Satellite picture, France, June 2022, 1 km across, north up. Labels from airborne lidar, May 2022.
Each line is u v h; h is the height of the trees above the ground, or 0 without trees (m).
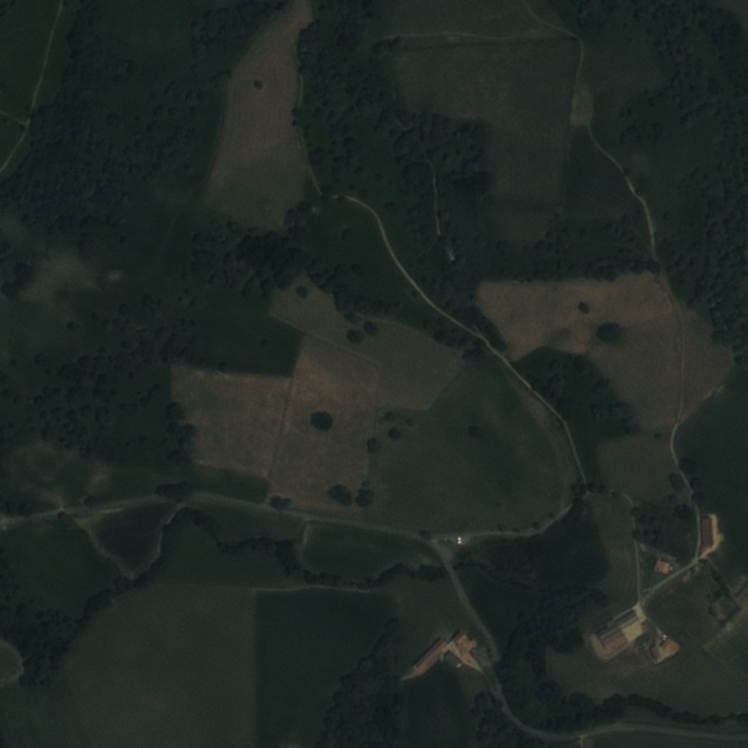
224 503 0
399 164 9
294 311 0
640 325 0
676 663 0
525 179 0
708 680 0
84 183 11
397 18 0
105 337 0
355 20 20
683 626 0
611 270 17
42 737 0
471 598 0
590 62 0
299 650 0
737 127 14
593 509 0
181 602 0
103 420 13
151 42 0
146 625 0
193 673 0
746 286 21
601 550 0
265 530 0
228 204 0
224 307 0
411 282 0
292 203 0
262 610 0
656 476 0
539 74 0
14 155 0
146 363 11
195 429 15
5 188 9
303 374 0
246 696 0
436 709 0
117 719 0
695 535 0
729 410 0
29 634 9
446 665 0
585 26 11
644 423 0
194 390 0
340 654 0
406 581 0
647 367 0
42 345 0
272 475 0
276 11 12
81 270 0
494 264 0
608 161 0
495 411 0
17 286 11
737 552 0
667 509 0
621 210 0
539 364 0
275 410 0
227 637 0
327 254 0
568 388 13
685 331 0
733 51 9
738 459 0
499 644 0
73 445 13
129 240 10
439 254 7
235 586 0
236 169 0
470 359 12
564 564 0
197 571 0
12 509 10
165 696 0
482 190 7
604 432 0
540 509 0
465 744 0
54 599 0
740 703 0
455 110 0
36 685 21
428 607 0
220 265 17
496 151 0
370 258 0
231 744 0
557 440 0
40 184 18
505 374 0
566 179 0
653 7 13
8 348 0
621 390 0
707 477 0
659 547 11
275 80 0
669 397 0
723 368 0
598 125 0
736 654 0
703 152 0
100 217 19
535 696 0
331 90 17
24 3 0
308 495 0
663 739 0
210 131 0
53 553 0
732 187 14
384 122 16
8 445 13
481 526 0
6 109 0
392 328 0
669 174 0
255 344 0
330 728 14
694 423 0
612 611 0
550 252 17
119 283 0
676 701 0
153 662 0
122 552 0
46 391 11
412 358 0
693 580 0
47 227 7
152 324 0
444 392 0
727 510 0
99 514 0
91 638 0
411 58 0
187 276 12
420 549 0
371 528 0
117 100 0
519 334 0
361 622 0
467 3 0
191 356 17
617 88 0
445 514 0
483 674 0
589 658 0
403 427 0
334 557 0
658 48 10
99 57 19
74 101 15
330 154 9
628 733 0
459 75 0
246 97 0
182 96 14
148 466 0
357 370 0
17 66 0
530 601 0
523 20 0
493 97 0
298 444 0
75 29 8
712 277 13
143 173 10
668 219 13
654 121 0
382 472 0
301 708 0
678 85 10
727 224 15
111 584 0
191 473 0
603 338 17
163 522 0
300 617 0
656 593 0
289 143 0
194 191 0
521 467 0
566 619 22
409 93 0
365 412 0
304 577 10
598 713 17
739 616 0
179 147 20
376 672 19
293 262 22
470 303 13
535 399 0
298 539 0
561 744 0
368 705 25
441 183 6
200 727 0
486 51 0
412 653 0
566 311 0
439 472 0
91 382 15
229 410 0
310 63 16
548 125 0
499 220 0
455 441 0
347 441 0
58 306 0
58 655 15
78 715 0
